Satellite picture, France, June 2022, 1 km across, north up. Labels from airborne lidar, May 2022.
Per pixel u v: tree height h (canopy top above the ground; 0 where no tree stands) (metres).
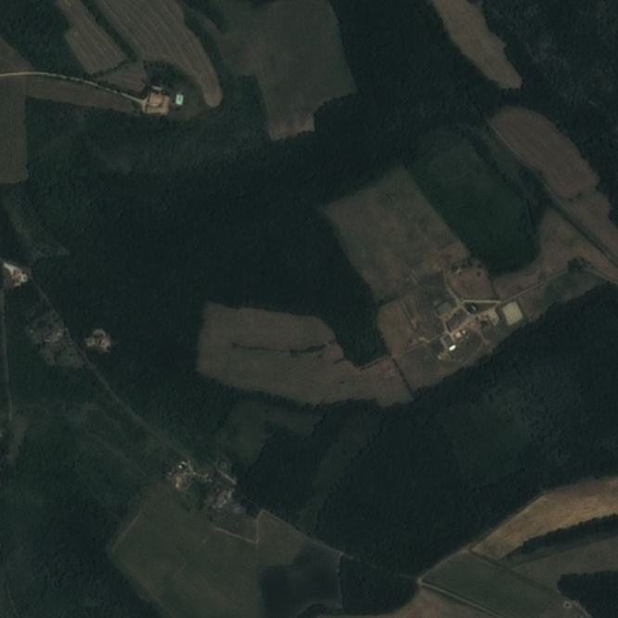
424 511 17
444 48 16
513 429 0
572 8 11
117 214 18
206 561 0
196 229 15
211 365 0
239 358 0
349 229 0
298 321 0
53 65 9
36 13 7
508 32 17
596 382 17
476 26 0
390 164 13
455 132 9
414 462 12
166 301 11
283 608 0
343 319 17
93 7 14
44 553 11
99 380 8
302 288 18
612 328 17
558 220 0
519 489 12
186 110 0
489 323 0
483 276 0
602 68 7
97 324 13
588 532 12
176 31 0
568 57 10
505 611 0
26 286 8
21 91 0
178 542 0
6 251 14
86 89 0
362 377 0
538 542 11
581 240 0
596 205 0
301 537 0
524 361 19
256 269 15
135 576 0
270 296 17
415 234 0
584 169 0
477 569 0
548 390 18
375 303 8
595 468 15
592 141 18
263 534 0
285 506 11
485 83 16
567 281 0
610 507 0
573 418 15
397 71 15
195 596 0
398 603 14
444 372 0
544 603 0
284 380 0
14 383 6
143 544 0
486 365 13
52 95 0
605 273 0
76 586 10
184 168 6
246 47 0
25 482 9
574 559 0
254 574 0
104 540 13
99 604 6
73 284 14
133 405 12
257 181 20
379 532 17
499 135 0
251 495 14
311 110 0
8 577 6
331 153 16
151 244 15
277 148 13
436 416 13
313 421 0
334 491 15
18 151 0
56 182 7
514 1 11
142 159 7
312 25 0
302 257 14
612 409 15
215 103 0
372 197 0
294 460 14
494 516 18
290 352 7
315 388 0
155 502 0
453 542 9
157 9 0
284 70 0
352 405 15
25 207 9
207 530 0
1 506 6
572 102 10
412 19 16
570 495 0
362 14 17
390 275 0
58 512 8
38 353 6
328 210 0
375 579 13
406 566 11
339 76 0
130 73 0
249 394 8
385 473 14
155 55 0
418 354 0
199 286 14
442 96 13
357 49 23
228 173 16
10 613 6
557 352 20
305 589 0
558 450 11
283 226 12
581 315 16
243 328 0
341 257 12
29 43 9
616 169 14
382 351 10
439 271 0
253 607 0
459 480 15
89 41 0
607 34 9
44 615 6
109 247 16
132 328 14
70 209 13
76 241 14
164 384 19
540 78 12
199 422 10
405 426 15
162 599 0
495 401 19
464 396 18
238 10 0
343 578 15
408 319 0
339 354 0
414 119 10
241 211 16
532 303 0
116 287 13
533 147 0
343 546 15
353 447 0
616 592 8
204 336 0
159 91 8
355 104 19
